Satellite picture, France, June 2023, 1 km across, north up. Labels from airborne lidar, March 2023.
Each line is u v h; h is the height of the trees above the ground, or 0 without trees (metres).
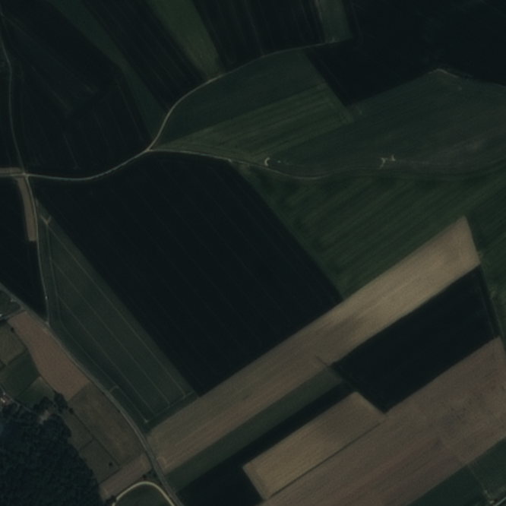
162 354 0
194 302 0
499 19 0
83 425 0
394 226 0
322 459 0
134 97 0
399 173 0
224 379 0
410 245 0
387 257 0
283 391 0
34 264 0
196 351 0
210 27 0
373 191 0
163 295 0
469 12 0
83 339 0
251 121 0
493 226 0
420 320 0
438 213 0
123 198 0
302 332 0
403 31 0
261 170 0
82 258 0
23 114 0
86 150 0
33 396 0
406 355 0
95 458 0
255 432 0
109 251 0
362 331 0
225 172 0
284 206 0
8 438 35
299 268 0
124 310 0
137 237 0
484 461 0
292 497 0
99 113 0
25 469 33
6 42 0
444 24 0
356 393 0
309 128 0
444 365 0
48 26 0
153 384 0
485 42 0
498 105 0
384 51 0
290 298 0
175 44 0
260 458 0
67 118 0
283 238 0
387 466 0
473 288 0
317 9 0
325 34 0
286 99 0
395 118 0
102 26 0
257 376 0
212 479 0
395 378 0
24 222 0
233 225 0
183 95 0
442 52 0
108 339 0
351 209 0
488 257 0
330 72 0
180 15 0
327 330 0
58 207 0
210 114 0
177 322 0
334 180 0
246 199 0
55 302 0
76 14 0
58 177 0
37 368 0
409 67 0
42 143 0
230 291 0
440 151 0
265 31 0
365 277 0
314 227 0
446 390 0
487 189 0
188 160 0
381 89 0
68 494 14
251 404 0
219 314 0
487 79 0
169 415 0
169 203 0
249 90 0
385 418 0
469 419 0
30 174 0
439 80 0
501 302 0
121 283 0
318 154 0
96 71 0
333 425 0
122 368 0
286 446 0
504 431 0
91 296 0
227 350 0
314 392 0
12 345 0
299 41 0
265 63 0
